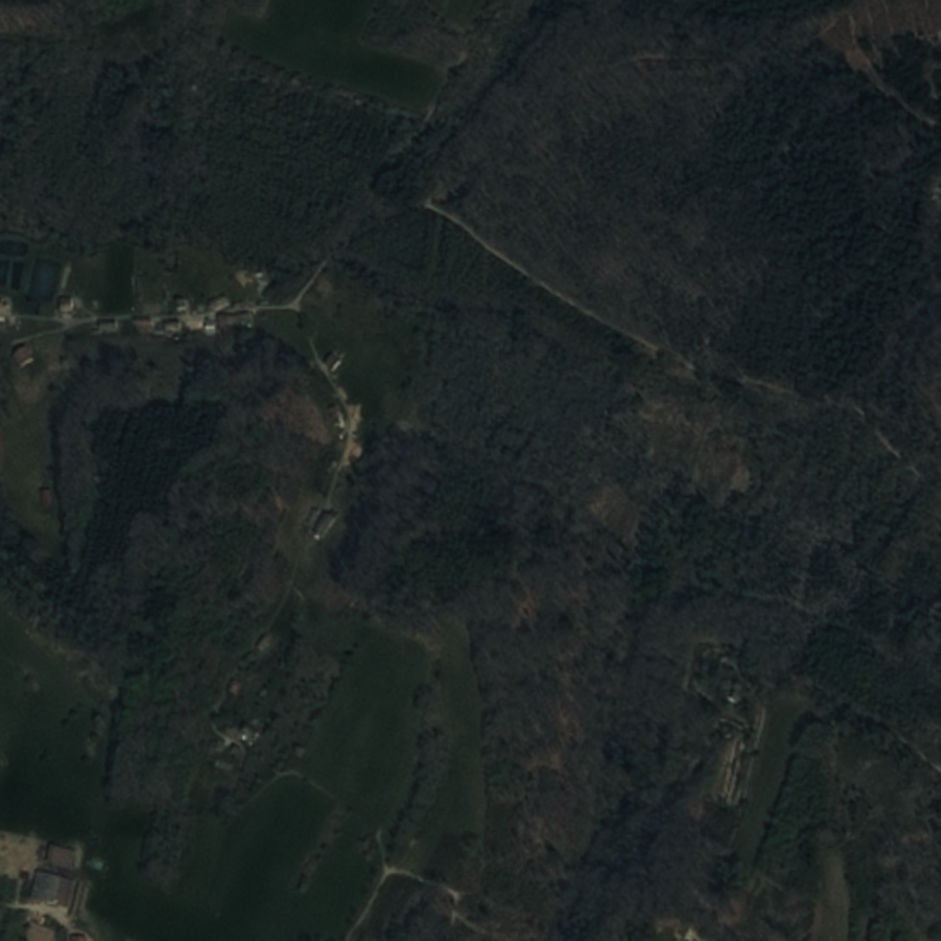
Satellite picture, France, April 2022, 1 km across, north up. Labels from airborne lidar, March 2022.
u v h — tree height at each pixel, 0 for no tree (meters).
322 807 0
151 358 0
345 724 0
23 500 0
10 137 23
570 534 14
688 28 26
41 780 0
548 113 25
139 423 20
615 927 34
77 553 24
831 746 28
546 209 21
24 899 8
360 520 0
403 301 18
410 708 0
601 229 18
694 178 22
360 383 0
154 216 11
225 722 13
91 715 0
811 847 13
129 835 0
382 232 11
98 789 0
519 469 17
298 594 0
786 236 19
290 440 25
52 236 17
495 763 18
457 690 0
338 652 0
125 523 20
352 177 9
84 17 10
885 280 26
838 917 0
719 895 15
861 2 23
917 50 12
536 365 24
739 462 0
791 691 24
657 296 20
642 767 33
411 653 0
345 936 0
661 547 29
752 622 28
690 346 16
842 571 19
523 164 22
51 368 0
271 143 17
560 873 28
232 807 22
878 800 0
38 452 0
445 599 15
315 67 0
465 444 9
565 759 30
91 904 0
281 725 10
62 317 0
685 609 22
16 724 0
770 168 26
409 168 21
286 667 8
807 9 25
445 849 0
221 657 21
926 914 26
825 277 26
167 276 0
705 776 14
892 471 23
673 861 35
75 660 0
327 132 6
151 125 15
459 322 25
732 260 19
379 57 0
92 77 15
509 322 20
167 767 27
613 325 26
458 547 16
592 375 20
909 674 10
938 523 20
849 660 12
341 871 0
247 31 0
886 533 29
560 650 34
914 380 24
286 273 12
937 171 27
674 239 23
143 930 0
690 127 23
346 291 0
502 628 27
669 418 0
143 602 24
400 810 0
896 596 11
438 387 6
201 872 0
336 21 0
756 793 0
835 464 18
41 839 0
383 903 0
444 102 8
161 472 22
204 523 24
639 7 29
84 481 33
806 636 20
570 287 23
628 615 29
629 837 17
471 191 16
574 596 31
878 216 29
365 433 0
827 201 28
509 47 15
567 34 27
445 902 30
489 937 0
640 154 24
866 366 31
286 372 28
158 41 0
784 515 15
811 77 29
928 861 32
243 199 16
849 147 27
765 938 0
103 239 16
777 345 19
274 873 0
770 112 27
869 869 0
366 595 25
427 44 24
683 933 0
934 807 7
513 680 28
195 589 15
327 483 0
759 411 22
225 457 29
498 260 7
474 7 0
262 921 0
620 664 30
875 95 31
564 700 35
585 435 0
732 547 12
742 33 33
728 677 22
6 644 0
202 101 16
